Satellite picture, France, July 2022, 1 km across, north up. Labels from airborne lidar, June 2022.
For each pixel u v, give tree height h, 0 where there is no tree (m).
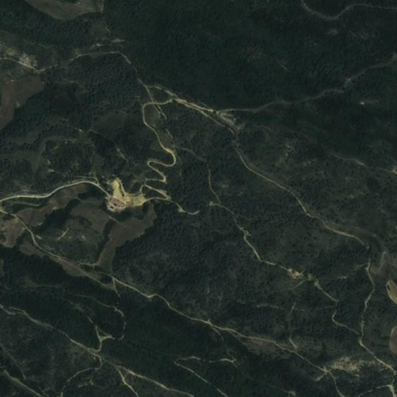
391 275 0
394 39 7
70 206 9
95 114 10
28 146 10
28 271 8
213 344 12
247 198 9
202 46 7
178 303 6
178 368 7
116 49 10
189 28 7
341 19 8
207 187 9
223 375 10
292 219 11
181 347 7
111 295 14
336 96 9
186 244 6
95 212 0
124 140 7
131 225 0
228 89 7
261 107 0
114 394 11
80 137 0
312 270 12
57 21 12
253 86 11
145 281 8
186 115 7
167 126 7
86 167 10
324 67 7
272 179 0
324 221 0
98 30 0
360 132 7
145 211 12
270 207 10
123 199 0
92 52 0
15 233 0
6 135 15
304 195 10
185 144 10
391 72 5
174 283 7
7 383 11
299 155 9
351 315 11
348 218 0
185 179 11
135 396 11
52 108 9
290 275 0
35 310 7
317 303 7
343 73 7
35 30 8
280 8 6
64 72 10
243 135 9
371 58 6
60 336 9
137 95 8
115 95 10
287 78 6
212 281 9
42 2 0
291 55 10
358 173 0
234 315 7
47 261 9
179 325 9
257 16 12
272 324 9
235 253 8
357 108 7
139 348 9
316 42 6
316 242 0
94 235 0
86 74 7
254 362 10
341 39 6
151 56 7
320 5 8
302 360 12
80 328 10
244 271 10
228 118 0
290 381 9
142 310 10
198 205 9
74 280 17
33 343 6
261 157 6
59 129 11
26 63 0
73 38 10
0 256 12
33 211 0
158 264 7
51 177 13
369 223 0
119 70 11
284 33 7
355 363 0
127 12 6
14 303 8
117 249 12
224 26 6
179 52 8
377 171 0
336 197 0
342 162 9
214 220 10
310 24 8
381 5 9
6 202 0
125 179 11
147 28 7
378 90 7
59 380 6
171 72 8
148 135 0
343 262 6
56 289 7
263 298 11
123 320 8
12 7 8
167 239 6
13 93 0
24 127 10
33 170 0
